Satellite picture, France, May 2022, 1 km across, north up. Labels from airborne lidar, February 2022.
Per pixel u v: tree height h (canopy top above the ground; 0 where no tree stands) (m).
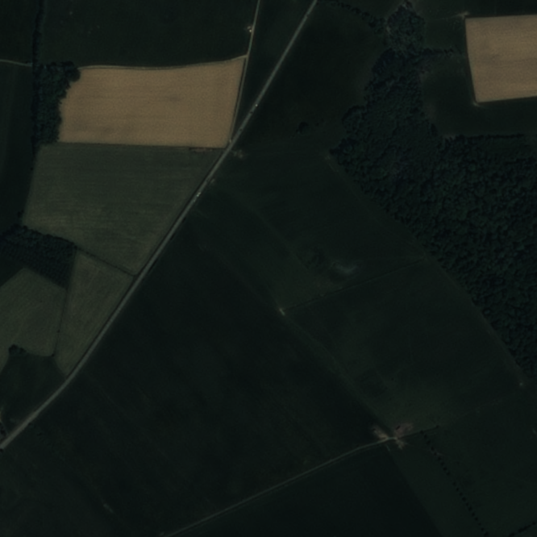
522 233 27
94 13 0
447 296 0
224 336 0
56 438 0
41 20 17
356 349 0
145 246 0
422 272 0
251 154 0
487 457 0
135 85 0
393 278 0
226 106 0
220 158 0
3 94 0
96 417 0
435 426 0
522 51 0
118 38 0
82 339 0
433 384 0
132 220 0
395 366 0
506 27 0
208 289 0
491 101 0
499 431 0
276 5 0
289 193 0
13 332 0
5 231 0
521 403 0
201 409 0
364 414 0
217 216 0
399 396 0
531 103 0
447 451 0
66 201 0
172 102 0
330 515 0
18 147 0
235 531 0
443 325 0
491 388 0
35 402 0
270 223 0
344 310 0
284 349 0
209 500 0
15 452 0
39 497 0
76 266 0
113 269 0
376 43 0
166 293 0
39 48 16
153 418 0
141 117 0
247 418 0
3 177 0
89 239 0
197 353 0
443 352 0
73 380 0
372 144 15
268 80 0
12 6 0
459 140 15
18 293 0
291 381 0
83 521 0
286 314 0
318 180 0
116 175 0
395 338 0
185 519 0
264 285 0
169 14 0
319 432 0
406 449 0
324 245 0
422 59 25
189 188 0
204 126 0
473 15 0
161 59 0
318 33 0
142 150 0
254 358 0
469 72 0
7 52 0
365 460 0
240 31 0
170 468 0
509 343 27
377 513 0
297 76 0
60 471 0
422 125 18
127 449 0
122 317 0
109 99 0
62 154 0
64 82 15
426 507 0
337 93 0
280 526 0
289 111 0
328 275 0
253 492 0
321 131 0
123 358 0
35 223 0
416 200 26
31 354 0
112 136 0
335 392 0
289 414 0
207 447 0
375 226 0
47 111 24
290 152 0
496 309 27
